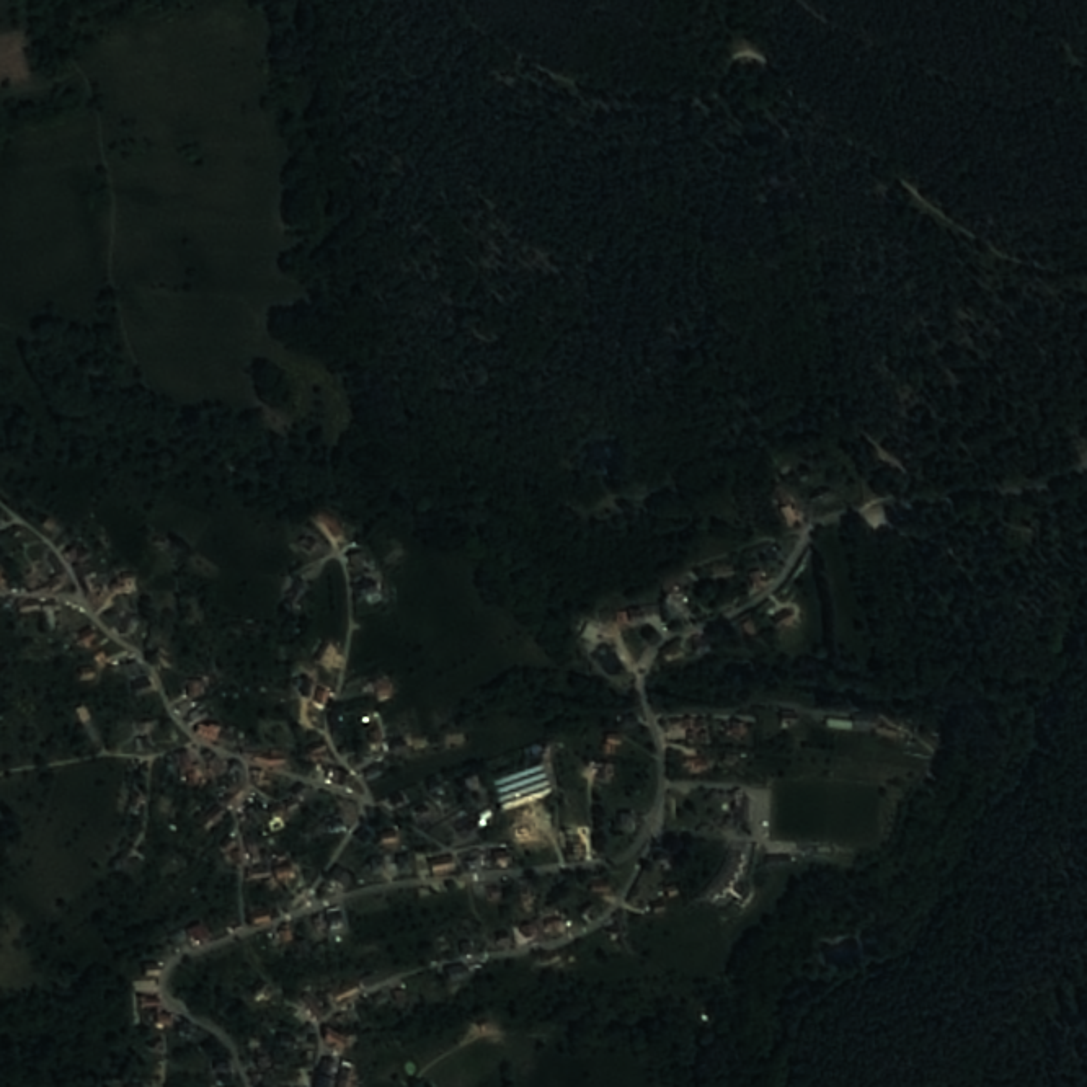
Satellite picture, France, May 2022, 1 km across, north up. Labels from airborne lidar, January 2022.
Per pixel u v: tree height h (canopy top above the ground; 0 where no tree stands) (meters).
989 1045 22
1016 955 19
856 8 20
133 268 0
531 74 16
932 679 26
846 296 17
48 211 0
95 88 8
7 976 0
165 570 0
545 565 17
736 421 19
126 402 18
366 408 19
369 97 18
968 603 31
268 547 0
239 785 0
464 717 8
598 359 19
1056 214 19
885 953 24
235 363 0
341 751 6
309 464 20
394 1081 7
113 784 0
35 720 0
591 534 13
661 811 0
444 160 22
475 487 21
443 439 11
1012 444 24
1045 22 20
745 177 28
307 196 19
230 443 22
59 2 12
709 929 0
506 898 9
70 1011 17
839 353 18
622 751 0
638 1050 13
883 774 0
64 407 23
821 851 0
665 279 23
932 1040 21
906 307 22
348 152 18
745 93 30
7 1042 11
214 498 6
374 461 21
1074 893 22
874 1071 15
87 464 7
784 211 33
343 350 21
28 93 0
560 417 11
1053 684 19
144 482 8
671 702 15
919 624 25
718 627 12
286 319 17
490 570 15
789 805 0
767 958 24
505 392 14
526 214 16
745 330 12
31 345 6
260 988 0
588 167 24
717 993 13
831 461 14
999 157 21
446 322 20
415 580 0
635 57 8
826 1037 15
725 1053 17
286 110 8
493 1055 0
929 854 18
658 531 12
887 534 17
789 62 21
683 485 17
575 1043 16
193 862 6
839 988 20
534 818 0
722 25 19
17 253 0
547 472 14
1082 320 16
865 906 19
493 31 17
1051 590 23
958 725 25
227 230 0
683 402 20
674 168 21
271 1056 7
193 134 0
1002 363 19
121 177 0
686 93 11
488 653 0
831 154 19
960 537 25
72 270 0
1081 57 15
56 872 0
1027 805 19
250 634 7
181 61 0
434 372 13
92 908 0
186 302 0
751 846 0
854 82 18
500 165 22
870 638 13
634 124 21
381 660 0
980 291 25
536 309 13
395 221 17
